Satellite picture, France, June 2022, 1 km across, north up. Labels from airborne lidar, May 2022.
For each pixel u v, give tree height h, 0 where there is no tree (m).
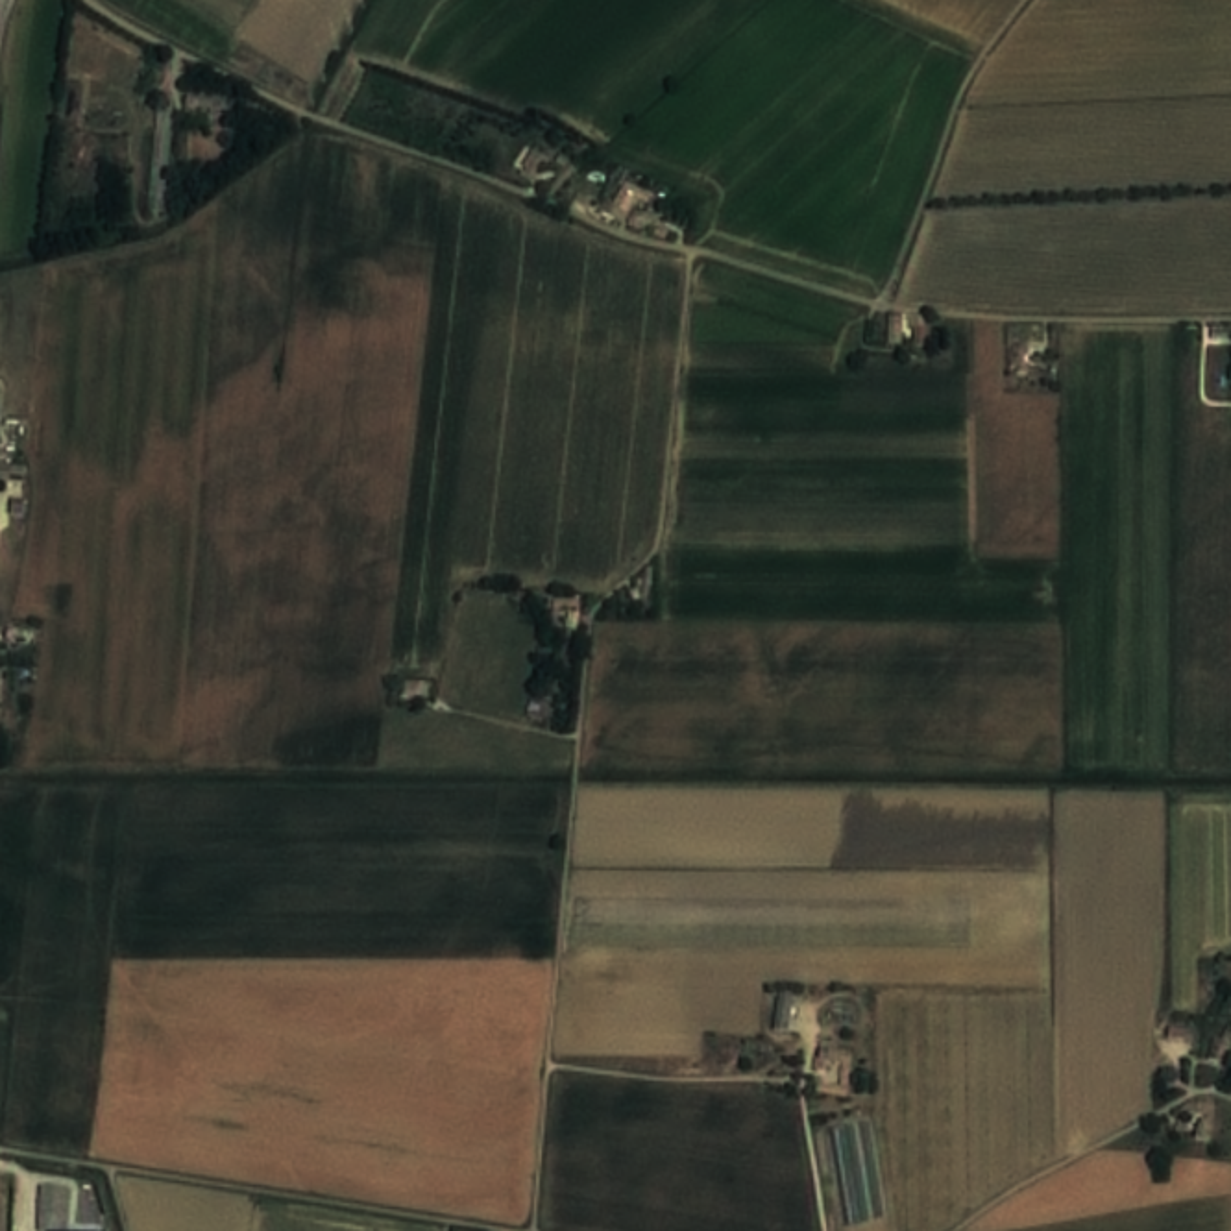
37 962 0
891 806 0
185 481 0
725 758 0
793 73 0
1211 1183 0
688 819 0
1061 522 0
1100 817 0
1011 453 0
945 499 0
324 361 0
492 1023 0
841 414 0
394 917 0
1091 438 0
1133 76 0
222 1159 0
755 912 0
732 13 0
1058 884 0
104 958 0
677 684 0
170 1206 0
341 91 0
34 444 0
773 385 0
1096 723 0
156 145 0
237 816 0
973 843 0
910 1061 0
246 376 0
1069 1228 0
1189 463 0
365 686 0
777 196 0
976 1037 0
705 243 0
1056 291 0
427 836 0
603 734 0
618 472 0
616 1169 0
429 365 0
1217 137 0
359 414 0
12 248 0
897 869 0
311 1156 0
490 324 0
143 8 0
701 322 0
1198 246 0
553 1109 0
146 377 0
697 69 0
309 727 0
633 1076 0
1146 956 0
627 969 0
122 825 0
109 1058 0
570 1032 0
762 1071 0
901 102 0
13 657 6
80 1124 0
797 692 0
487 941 0
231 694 0
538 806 0
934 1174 0
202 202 28
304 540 0
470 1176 0
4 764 7
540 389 0
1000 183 0
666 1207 0
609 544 0
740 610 0
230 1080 0
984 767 0
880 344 5
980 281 0
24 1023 0
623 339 0
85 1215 0
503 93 0
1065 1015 0
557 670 21
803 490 0
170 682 0
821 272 0
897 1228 0
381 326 0
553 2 0
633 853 0
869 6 0
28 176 0
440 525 0
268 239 0
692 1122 0
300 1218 0
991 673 0
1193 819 0
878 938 0
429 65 0
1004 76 0
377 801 0
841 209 0
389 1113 0
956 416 0
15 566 0
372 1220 0
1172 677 0
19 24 0
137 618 0
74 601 0
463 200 0
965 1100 0
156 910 0
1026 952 0
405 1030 0
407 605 0
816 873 0
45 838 0
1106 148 0
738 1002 0
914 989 0
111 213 11
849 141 0
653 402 0
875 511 0
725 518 0
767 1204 0
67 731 0
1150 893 0
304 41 0
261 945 0
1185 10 0
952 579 0
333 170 0
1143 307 0
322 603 0
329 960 0
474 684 0
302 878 0
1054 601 0
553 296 0
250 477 0
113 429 0
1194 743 0
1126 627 0
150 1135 0
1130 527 0
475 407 0
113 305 0
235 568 0
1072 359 0
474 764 0
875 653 0
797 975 0
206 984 0
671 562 0
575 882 0
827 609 0
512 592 18
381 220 0
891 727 0
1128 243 0
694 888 0
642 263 0
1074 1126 0
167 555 0
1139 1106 0
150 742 0
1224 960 12
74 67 0
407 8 0
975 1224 0
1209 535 0
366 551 0
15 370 0
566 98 0
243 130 18
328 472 0
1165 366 0
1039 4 0
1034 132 0
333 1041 0
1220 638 0
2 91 0
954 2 0
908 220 0
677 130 0
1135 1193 0
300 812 0
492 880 0
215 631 0
